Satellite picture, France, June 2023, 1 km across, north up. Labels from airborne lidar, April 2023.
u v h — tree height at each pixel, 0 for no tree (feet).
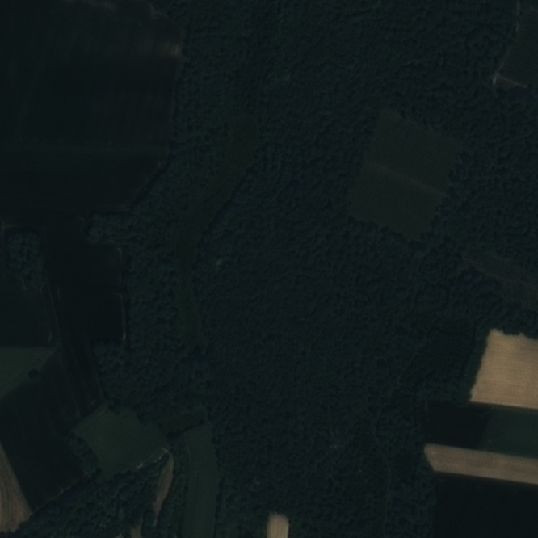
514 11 87
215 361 81
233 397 65
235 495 48
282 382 62
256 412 77
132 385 69
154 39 0
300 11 73
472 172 71
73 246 0
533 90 83
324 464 62
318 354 70
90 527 86
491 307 79
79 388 0
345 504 20
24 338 0
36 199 0
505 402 0
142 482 48
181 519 41
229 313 68
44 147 0
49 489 0
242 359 66
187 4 65
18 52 0
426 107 76
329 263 72
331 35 67
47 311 0
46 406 0
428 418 0
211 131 82
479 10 72
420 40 60
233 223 68
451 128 75
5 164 0
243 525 40
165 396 76
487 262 0
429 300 84
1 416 0
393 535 74
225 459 57
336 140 65
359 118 55
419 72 74
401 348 79
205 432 0
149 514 67
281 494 61
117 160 0
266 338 63
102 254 0
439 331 40
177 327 75
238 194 62
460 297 51
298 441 77
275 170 58
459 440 0
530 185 67
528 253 76
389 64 66
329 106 48
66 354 0
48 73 0
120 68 0
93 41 0
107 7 0
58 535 78
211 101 71
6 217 0
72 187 0
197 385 100
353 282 70
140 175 0
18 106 0
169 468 0
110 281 0
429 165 0
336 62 51
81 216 0
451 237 76
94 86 0
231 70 20
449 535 0
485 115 74
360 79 70
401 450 52
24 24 0
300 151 67
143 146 0
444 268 69
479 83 85
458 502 0
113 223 73
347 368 66
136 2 0
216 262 58
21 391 0
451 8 73
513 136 83
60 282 0
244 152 0
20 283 0
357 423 22
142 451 0
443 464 0
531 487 0
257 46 73
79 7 0
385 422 50
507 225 83
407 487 77
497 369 0
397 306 87
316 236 72
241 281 64
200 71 82
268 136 46
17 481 0
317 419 64
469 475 0
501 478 0
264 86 37
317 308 73
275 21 60
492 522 0
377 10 46
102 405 0
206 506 0
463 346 42
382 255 75
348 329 74
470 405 0
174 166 61
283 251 65
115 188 0
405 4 64
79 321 0
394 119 0
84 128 0
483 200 83
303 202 81
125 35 0
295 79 73
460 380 66
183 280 0
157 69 0
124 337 0
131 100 0
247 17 76
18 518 0
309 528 35
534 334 59
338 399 73
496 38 85
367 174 0
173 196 25
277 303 60
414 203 0
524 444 0
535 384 0
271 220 66
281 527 0
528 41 0
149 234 35
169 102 0
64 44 0
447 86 83
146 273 75
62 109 0
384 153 0
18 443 0
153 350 80
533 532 0
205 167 68
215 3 76
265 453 64
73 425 0
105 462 0
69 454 0
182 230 0
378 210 0
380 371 81
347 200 85
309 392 62
